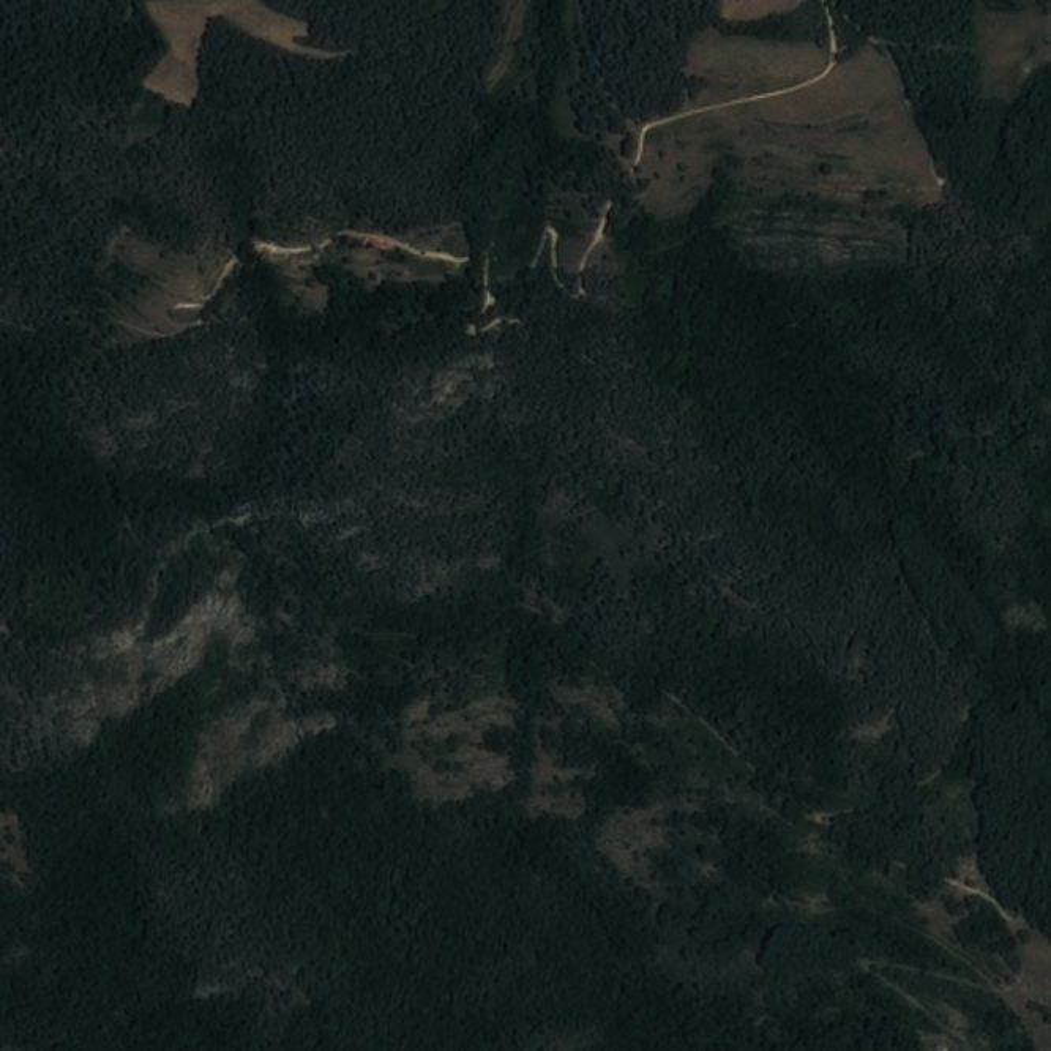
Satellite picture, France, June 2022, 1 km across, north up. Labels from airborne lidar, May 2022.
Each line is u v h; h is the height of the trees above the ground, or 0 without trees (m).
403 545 15
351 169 10
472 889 20
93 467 20
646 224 8
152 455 16
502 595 14
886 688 18
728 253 13
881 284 13
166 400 10
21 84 19
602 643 18
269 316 17
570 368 15
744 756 7
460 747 8
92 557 13
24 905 16
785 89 0
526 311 16
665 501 11
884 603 15
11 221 9
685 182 8
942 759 17
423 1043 24
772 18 6
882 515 9
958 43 18
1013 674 14
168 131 10
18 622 9
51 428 13
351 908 19
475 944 22
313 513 6
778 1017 11
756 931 10
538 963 16
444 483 14
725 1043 12
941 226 7
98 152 17
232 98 15
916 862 8
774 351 22
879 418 12
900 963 8
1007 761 25
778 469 21
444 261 0
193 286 0
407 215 17
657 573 13
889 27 22
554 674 7
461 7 16
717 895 9
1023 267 21
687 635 22
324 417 7
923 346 19
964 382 18
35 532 15
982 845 20
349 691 7
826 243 0
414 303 19
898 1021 15
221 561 8
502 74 0
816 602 18
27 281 8
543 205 15
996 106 19
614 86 18
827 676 15
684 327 14
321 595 16
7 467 20
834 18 9
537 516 9
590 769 7
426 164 19
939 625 21
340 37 17
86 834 15
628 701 11
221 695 6
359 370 6
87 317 8
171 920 11
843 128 0
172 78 0
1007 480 17
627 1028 26
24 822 15
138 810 24
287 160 16
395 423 7
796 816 12
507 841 21
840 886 8
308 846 16
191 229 17
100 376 20
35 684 12
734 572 8
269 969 13
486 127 10
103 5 15
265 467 13
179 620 7
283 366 19
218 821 14
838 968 20
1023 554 8
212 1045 19
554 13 16
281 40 0
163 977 18
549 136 16
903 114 0
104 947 18
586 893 21
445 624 15
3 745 12
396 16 17
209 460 14
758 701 19
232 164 19
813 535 22
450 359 7
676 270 10
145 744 24
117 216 14
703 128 0
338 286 16
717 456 18
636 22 20
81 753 11
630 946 20
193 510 17
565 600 11
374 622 9
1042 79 12
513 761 13
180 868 11
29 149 17
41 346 12
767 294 20
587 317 13
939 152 17
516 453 17
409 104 15
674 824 12
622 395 10
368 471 10
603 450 12
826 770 12
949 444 33
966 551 13
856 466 18
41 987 14
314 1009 13
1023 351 10
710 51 0
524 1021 15
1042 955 0
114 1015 19
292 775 15
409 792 12
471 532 18
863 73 0
